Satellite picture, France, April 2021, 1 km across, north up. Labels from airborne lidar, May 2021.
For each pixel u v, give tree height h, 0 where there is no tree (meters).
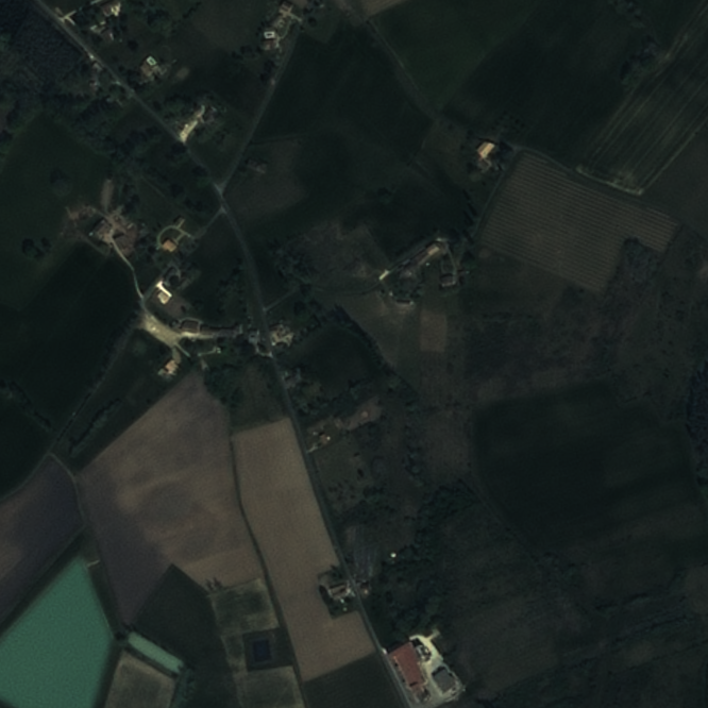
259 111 0
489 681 0
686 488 0
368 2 0
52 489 0
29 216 0
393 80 0
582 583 0
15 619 0
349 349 0
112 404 6
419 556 20
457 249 26
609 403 0
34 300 0
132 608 0
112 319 0
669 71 0
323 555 0
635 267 13
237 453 0
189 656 0
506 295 0
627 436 0
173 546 0
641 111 0
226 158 0
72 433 0
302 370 7
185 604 0
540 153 0
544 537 0
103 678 0
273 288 0
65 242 0
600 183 0
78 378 0
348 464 0
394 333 0
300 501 0
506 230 0
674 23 0
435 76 0
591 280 0
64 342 0
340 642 0
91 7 15
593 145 0
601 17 0
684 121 0
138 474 0
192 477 0
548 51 0
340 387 0
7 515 0
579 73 0
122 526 0
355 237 0
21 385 0
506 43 0
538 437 0
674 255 0
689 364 0
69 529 0
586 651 0
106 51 0
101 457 0
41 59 16
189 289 0
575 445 0
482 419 0
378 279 0
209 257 0
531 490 0
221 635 0
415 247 12
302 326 0
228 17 0
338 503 7
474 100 0
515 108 0
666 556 0
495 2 0
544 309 0
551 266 0
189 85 0
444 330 0
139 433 0
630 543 0
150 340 0
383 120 0
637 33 0
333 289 0
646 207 0
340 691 0
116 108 18
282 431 0
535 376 0
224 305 6
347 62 0
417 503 0
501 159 6
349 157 0
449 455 0
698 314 0
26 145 0
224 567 0
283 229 0
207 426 0
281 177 0
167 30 14
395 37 0
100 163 0
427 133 0
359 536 0
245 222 0
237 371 7
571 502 0
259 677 0
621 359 0
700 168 0
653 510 0
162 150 0
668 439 0
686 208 0
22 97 27
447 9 0
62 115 28
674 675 0
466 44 0
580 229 0
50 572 0
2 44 32
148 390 0
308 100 0
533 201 0
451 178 0
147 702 0
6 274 0
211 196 0
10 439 0
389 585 22
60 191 21
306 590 0
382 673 0
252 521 0
